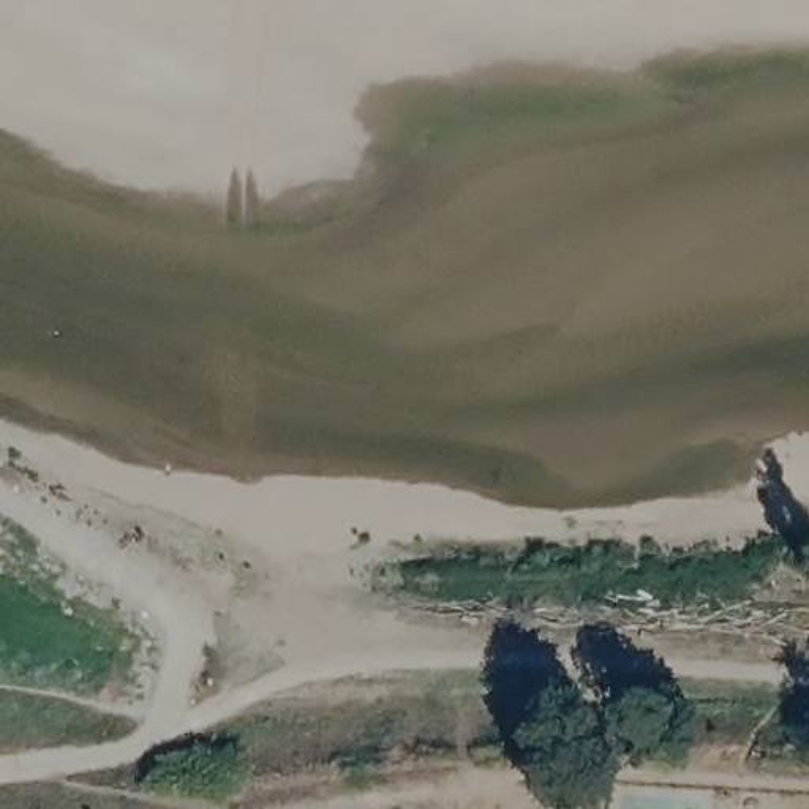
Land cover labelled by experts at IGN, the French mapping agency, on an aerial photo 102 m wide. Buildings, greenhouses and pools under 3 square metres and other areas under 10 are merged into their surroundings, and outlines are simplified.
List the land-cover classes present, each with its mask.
<instances>
[{"label":"water","instance_id":"1","mask_svg":"<svg viewBox=\"0 0 809 809\"><path fill-rule=\"evenodd\" d=\"M357 120L370 142L354 167V177L310 180L300 186H288L272 199H262L256 193V180H240L237 174H231L228 193L215 196L212 202L196 193L114 186L98 180L95 174L70 171L51 161L47 152H41L28 139L0 130V420L51 433L98 449L123 465L158 471L174 468L193 474H218L240 484H253L275 474L439 484L525 509H616L651 499H683L733 490L749 480L758 446L784 439L790 433H809V44L771 51H758L752 44H727L721 51L679 47L651 57L626 73L575 70L569 63L506 60L474 66L468 73H455L446 79L411 76L386 85H370L357 104Z\"/></svg>","mask_w":809,"mask_h":809},{"label":"bare soil","instance_id":"2","mask_svg":"<svg viewBox=\"0 0 809 809\"><path fill-rule=\"evenodd\" d=\"M727 44H752L758 51H771L809 44V0H0V130L28 139L41 152H47L51 161L70 171L95 174L98 180L114 186L196 193L212 202L215 196L228 193L231 174H237L240 180H256V193L262 199H272L288 186H300L310 180L354 177V167L370 142L357 120V104L370 85H386L411 76L446 79L455 73H468L474 66L506 60L569 63L575 70L626 73L651 57L679 47L721 51ZM25 465L38 474H47L54 484L66 487V499H57L54 515L73 521L79 506H95L107 515H123L130 502H145L180 512L199 525L221 528L231 540L250 544L262 547L269 556L281 563L297 559L300 553H335L348 547L354 537L360 544H370V537H376L386 547L392 540L414 537H427L430 544H525L537 537L566 547H581L588 540L638 544L642 537H654L657 547L670 550L692 547L698 540H711L717 550H743L758 531L768 528H774L787 547L809 544V433H790L784 439L758 446L749 480L733 490L683 499H651L616 509H525L439 484L275 474L253 484H240L218 474H193L174 468L158 471L123 465L98 449L51 433Z\"/></svg>","mask_w":809,"mask_h":809},{"label":"herbaceous vegetation","instance_id":"3","mask_svg":"<svg viewBox=\"0 0 809 809\"><path fill-rule=\"evenodd\" d=\"M0 480H32L35 493H41V502L57 499H66V487L54 484L47 474H38L25 465L19 461V449H6V461H0ZM73 521L85 528H101L120 547L139 544L149 556L180 572H231V591L243 600H272L269 572L243 566L250 544L231 540L221 528L199 525L180 512L145 502H130L123 515H107L95 506H79ZM70 563L44 550L19 521L0 512V673L6 679H22L32 686H60L82 695H95L104 689L111 698L126 702H142V683L133 673V657L139 654V632H130L120 623V600H111L107 607H92L82 597H66L63 591H57V581L66 575ZM461 544H430L427 537H414L392 540L386 547V563L373 566L370 585L348 588L344 604L363 613L395 610L398 619L408 626L452 629V645L458 651L474 648L484 657L480 670H392L376 676L354 673L297 683L288 692H278L275 698L250 705L243 714L218 724L215 730L158 743L133 765L73 771L70 777L82 784L142 787L145 774L158 765L161 755L196 746L218 752L240 749L246 758L256 762V774L218 803L221 809H265L303 800H332L354 790L442 781L449 774H458L468 762L474 768H499L506 758L496 746L468 752V739L487 730L490 724H496V730H512L515 702L537 695L550 679L566 673L556 657V648L569 645L575 651L578 629L591 623L613 626L635 648H645L657 660H664V667L676 654H683L689 660L784 664L787 673H809V578L796 566L777 563L771 566L768 578L752 585V591L743 600L727 604L721 591H695L689 604H676L673 610H664L651 591H607L600 604L585 607H531L521 604V597H506V604L420 600L414 594H405L398 585L401 563L423 556H455ZM414 736H446L455 743V752L436 758H414L405 752ZM335 746H379L386 752V762L363 768H338L329 752ZM215 642L202 648V670L193 679V698L199 705L218 695L221 689L250 686L284 667V657L269 651L246 654L243 632L234 623V616L215 610ZM692 711L695 746L689 749L686 765L692 771H755L781 777H809V686L774 689L765 683L743 686L733 679L676 676ZM136 730V721L120 714H101L57 698L0 692V755L114 743ZM0 809H180L123 796H85L60 787L57 781L0 784Z\"/></svg>","mask_w":809,"mask_h":809},{"label":"pervious surface","instance_id":"4","mask_svg":"<svg viewBox=\"0 0 809 809\"><path fill-rule=\"evenodd\" d=\"M57 499L41 502V493H35L32 480H0V512L19 521L44 550L70 563L66 575L57 581V591H63L66 597H82L92 607H107L111 600H120V623L130 632H139V654L133 657V673L142 683V702H126L111 698L104 689L95 695H82L60 686H32L22 679H6L0 673V692L57 698L101 714H120L136 721V730L114 743L0 755V784L57 781L60 787L85 796H123L180 809H221L218 803L186 796L180 790L158 793L142 787L82 784L70 777L73 771L133 765L158 743L215 730L218 724L243 714L250 705L275 698L278 692H288L297 683L354 673L376 676L392 670H480L484 657L474 648L458 651L452 645V629L408 626L398 619L395 610L363 613L344 604L348 588L370 585L373 566L386 563V547L376 537H370V544H360L354 537L348 547L335 553H300L297 559L281 563L269 556L262 547L250 544L243 566L269 572L272 600H243L231 591V572H180L149 556L139 544L120 547L101 528H85L73 521L54 515ZM215 610L234 616V623L243 632L246 654L269 651L284 657V667L250 686L221 689L218 695L199 705L193 698V679L202 670V648L215 642ZM556 657L566 673L585 702H604L613 695L623 698L626 689H654L676 676L733 679L743 686L765 683L774 689L809 686V673H787L784 664L689 660L683 654H676L664 667V660H657L645 648H635L613 626L591 623L578 629L575 651L569 645L556 648ZM265 809H553L544 806L525 787V774L506 758L499 768H474L468 762L458 774H449L442 781L354 790L332 800H303ZM638 787L714 793L711 809H809V777H781L755 771H692L686 765L673 768L645 762L619 768L613 777L610 800H600L591 809H610V803L623 806V800H632Z\"/></svg>","mask_w":809,"mask_h":809},{"label":"deciduous trees","instance_id":"5","mask_svg":"<svg viewBox=\"0 0 809 809\"><path fill-rule=\"evenodd\" d=\"M777 563L796 566L809 578V544L787 547L774 528H768L758 531L743 550H717L711 540H698L692 547L670 550L657 547L654 537H642L638 544L588 540L581 547H566L537 537L525 544H461L455 556H423L401 563L398 585L405 594H414L420 600L506 604V597H521V604L531 607H585L600 604L607 591H651L664 610H673L676 604H689L695 591H721L727 604L743 600L752 591V585L768 578L771 566ZM496 746L506 758L525 774V787L544 806L553 809H591L600 800H610L613 777L619 768L645 762L673 768L686 765L689 749L695 746L692 711L676 676L654 689H626L623 698L613 695L604 702H585L566 673L550 679L537 695L515 702L512 730H496V724H490L487 730L468 739V752ZM256 774V762L246 758L240 749L218 752L196 746L161 755L158 765L145 774L142 787L158 793L180 790L186 796L218 803Z\"/></svg>","mask_w":809,"mask_h":809},{"label":"impervious surface","instance_id":"6","mask_svg":"<svg viewBox=\"0 0 809 809\"><path fill-rule=\"evenodd\" d=\"M51 433L0 420V461H6V449H19V461L25 465ZM714 793L638 787L632 800H623V806L610 803V809H711Z\"/></svg>","mask_w":809,"mask_h":809},{"label":"brushwood","instance_id":"7","mask_svg":"<svg viewBox=\"0 0 809 809\"><path fill-rule=\"evenodd\" d=\"M405 752L414 758H436L455 752V743L446 736H414ZM329 752L338 768H363L386 762V752L379 746H335Z\"/></svg>","mask_w":809,"mask_h":809}]
</instances>
